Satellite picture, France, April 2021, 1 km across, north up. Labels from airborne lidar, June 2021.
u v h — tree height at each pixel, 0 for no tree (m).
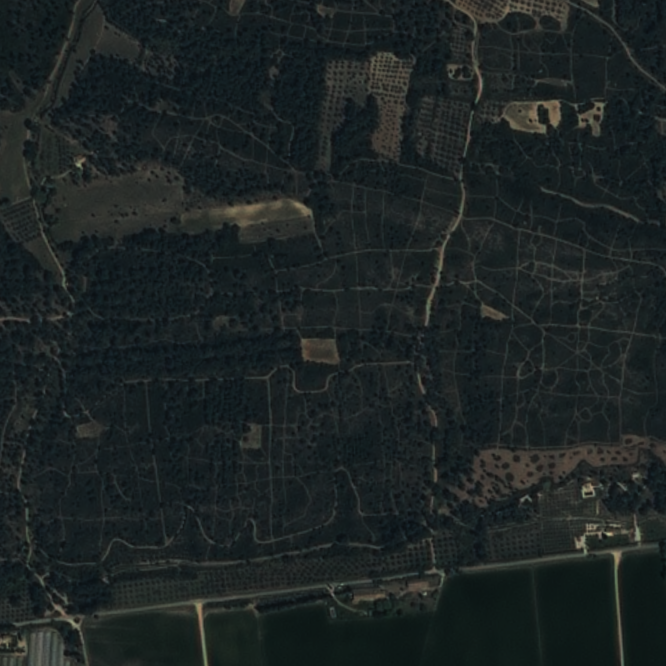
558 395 0
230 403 9
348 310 0
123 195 0
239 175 8
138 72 14
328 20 13
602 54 0
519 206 0
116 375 13
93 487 7
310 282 0
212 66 16
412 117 9
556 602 0
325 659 0
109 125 0
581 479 6
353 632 0
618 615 0
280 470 9
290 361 8
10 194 0
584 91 0
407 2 13
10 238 15
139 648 0
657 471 14
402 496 9
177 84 12
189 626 0
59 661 0
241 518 0
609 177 6
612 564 0
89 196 0
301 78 16
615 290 0
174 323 8
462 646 0
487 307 0
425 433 12
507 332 0
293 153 12
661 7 15
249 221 0
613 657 0
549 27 0
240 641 0
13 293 15
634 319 0
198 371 17
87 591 19
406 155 10
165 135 0
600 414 0
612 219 9
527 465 0
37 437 16
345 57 12
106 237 0
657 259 7
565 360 0
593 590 0
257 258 12
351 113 16
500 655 0
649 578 0
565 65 0
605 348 0
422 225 0
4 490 9
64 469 0
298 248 0
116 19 13
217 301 12
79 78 15
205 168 11
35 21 0
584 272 0
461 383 0
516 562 0
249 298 14
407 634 0
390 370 0
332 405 8
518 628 0
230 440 7
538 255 0
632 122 14
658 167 16
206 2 0
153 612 0
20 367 13
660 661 0
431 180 0
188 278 8
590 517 0
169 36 16
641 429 0
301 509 0
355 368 0
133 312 12
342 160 13
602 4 8
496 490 8
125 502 11
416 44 14
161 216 0
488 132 5
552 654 0
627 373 0
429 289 0
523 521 16
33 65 16
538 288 0
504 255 0
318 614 0
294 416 0
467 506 15
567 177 0
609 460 0
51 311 12
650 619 0
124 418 7
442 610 0
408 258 0
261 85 14
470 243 0
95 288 11
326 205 14
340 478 8
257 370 10
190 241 12
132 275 12
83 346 11
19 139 0
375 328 10
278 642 0
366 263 0
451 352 0
